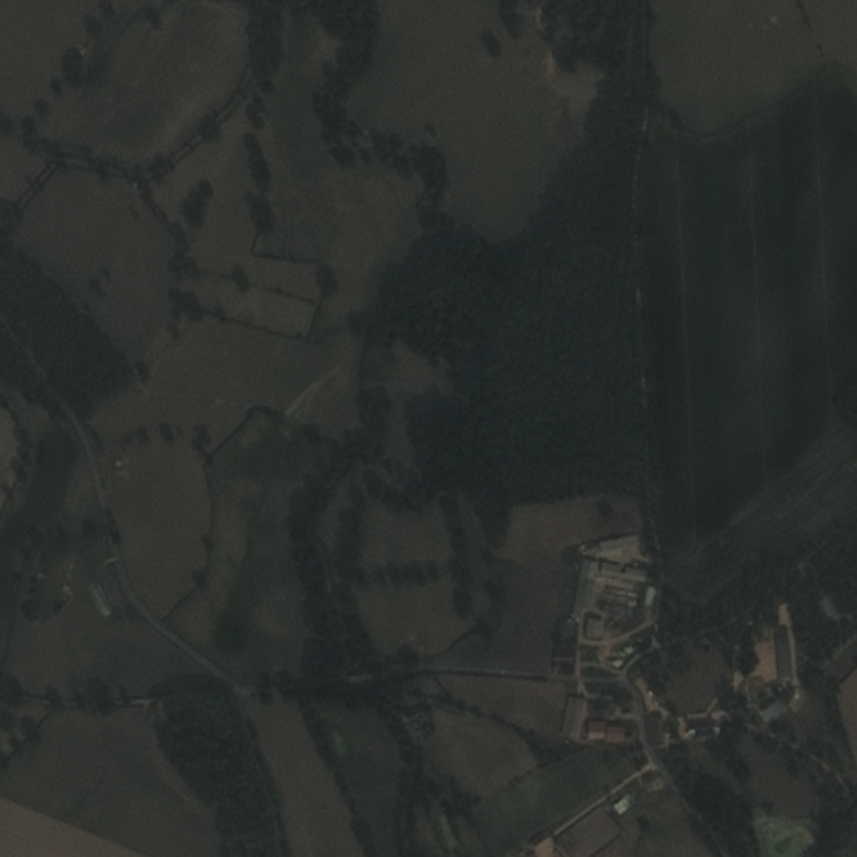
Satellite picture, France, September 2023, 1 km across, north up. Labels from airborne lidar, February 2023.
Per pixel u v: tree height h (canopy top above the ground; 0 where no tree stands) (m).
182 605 0
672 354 0
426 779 0
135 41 0
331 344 0
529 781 0
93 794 0
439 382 0
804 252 0
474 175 0
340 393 0
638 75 19
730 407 0
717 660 0
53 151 14
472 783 0
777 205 0
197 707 20
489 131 0
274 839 15
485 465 22
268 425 0
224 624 0
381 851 0
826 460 0
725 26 0
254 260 0
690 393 0
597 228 14
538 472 22
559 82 0
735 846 26
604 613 0
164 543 0
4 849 0
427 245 15
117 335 0
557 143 0
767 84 0
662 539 11
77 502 0
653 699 0
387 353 0
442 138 0
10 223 21
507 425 23
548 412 24
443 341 26
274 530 0
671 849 0
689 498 0
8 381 16
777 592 15
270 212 19
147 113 0
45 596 0
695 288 0
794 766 15
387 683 24
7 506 0
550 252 19
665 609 18
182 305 18
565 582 0
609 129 11
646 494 20
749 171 0
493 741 0
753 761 0
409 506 18
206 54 0
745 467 0
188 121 0
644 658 0
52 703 20
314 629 27
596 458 25
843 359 0
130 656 0
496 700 0
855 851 0
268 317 0
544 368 22
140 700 0
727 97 0
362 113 0
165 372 0
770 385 0
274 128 0
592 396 25
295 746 0
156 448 0
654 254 0
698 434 0
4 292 21
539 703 0
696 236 0
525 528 0
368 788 0
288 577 0
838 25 0
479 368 20
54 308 18
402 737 10
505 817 0
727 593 18
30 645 0
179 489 0
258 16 12
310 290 0
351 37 21
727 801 30
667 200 0
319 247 0
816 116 0
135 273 0
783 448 0
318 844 0
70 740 0
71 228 0
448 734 0
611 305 24
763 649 0
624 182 12
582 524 0
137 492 0
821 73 0
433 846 0
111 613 0
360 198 0
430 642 0
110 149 0
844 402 11
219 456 0
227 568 0
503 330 18
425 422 24
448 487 21
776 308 0
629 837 0
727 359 0
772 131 0
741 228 0
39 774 0
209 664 0
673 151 0
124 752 0
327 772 0
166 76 0
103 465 0
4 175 0
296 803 0
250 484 0
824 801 12
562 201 18
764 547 0
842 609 15
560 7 20
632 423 20
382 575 18
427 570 12
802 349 0
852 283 0
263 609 0
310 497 20
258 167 20
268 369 0
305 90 0
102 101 0
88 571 0
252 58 16
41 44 0
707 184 0
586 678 0
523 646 0
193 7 0
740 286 0
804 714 0
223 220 0
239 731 20
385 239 0
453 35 0
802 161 0
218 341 0
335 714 0
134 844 0
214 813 0
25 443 18
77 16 0
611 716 0
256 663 0
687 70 0
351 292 0
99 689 18
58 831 0
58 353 20
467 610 15
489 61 0
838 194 0
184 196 0
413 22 0
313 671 25
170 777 0
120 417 0
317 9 21
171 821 0
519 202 0
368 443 18
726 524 0
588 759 0
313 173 0
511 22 19
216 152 0
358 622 15
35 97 0
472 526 0
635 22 15
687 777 22
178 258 12
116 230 0
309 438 14
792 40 0
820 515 0
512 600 0
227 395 0
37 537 16
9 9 0
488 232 0
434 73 0
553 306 19
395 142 15
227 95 0
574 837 0
